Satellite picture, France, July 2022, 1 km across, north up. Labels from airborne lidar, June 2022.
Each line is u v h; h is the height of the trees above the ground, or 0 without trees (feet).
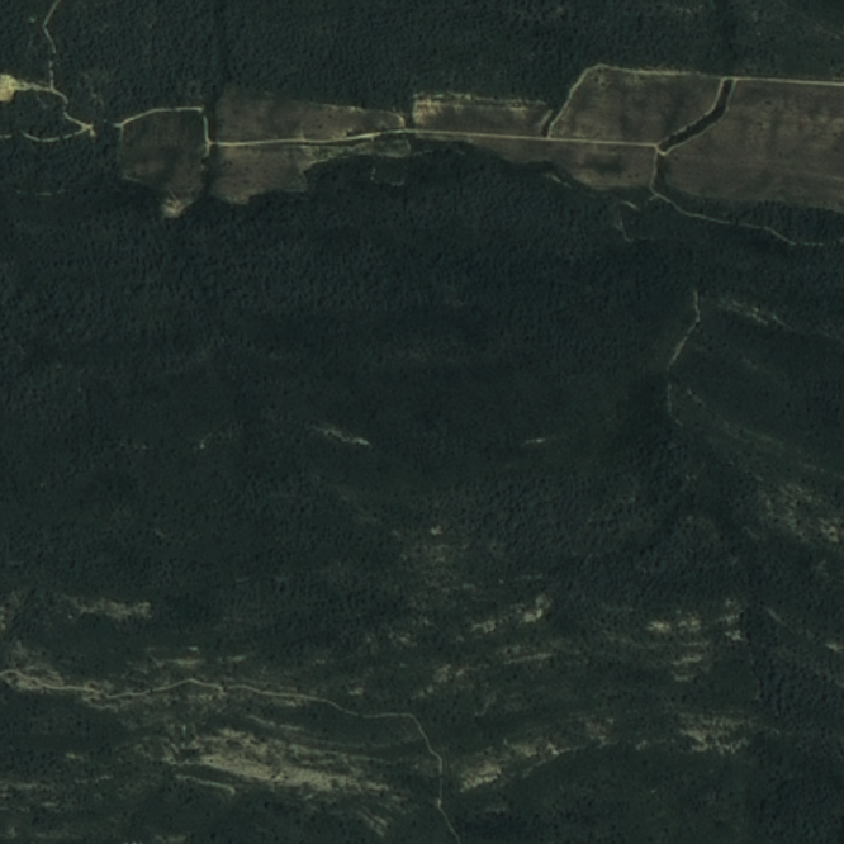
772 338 17
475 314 22
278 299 27
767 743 27
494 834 26
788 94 0
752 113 0
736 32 30
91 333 26
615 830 26
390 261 28
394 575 20
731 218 32
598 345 25
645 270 28
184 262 50
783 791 27
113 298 26
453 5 29
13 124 35
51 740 0
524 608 21
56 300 32
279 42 26
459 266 32
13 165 39
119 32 22
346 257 32
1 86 0
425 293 35
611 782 19
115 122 34
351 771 0
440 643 24
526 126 0
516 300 36
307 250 24
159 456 20
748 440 20
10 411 21
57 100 21
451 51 23
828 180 0
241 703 0
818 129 0
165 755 0
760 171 0
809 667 24
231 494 32
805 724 38
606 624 32
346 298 31
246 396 27
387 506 21
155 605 22
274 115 0
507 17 41
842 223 24
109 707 0
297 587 28
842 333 19
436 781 19
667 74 0
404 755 0
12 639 20
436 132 0
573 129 0
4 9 27
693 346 0
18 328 19
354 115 0
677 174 0
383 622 19
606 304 26
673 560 29
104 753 27
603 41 20
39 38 25
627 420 18
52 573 23
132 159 0
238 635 20
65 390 18
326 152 0
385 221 27
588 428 21
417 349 18
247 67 38
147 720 0
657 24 27
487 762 0
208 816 26
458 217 19
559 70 23
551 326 24
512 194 26
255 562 22
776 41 28
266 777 0
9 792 20
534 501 32
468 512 44
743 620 30
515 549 53
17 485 20
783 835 30
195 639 0
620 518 44
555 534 22
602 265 37
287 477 28
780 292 24
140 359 22
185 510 23
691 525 25
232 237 25
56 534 36
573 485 31
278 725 0
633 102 0
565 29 33
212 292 36
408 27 33
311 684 0
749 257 29
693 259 30
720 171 0
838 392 27
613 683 19
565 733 30
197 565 27
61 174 41
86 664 0
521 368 19
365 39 31
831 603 19
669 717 22
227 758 0
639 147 0
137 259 33
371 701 20
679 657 23
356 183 22
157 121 0
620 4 20
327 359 27
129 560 24
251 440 18
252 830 0
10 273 21
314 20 21
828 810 38
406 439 19
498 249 32
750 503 26
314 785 0
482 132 0
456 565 28
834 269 27
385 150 0
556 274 20
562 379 20
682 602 29
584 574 22
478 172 36
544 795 0
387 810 0
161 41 35
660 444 28
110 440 26
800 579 21
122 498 30
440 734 0
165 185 0
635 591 20
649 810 0
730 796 20
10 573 21
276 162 0
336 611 35
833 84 0
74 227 24
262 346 21
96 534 28
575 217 25
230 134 0
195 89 29
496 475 26
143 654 0
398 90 33
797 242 30
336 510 23
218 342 34
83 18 20
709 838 0
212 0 40
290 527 40
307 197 28
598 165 0
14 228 29
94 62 39
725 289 19
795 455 0
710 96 0
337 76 31
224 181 0
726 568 37
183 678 22
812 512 24
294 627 39
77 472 25
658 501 52
